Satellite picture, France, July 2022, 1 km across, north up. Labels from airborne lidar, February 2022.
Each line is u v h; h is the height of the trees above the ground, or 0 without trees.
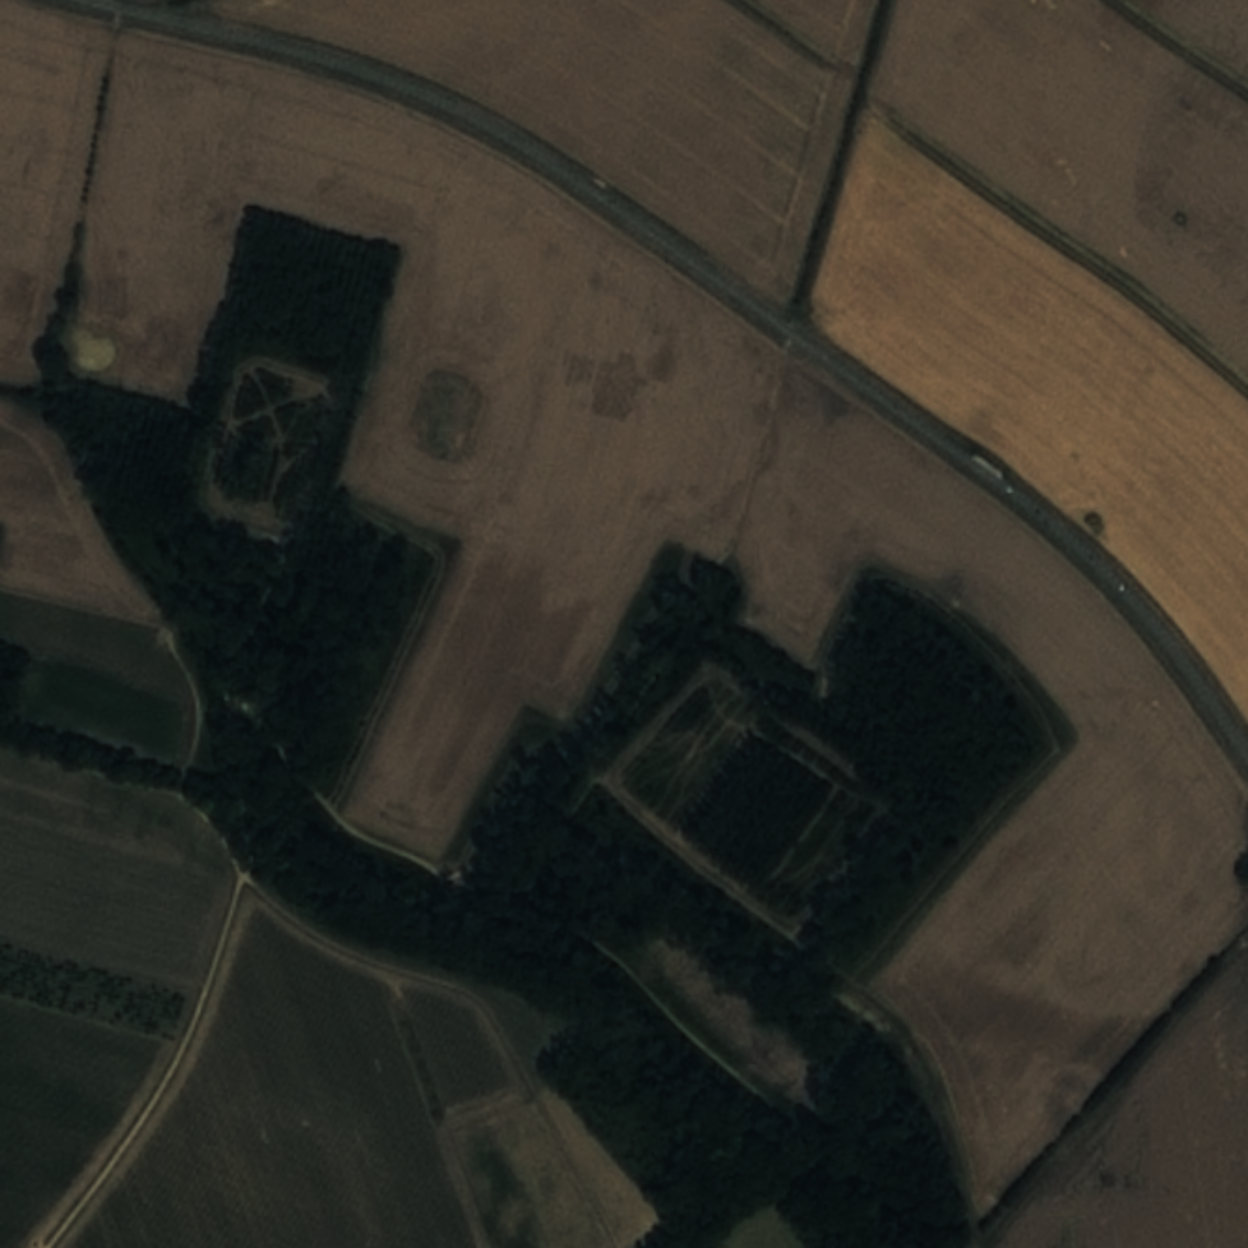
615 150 0
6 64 0
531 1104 0
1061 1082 0
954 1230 26
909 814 25
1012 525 0
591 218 0
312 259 11
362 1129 0
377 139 0
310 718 27
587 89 0
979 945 0
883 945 0
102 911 0
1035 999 0
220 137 0
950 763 20
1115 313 0
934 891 0
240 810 19
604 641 0
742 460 0
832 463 0
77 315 0
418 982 0
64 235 0
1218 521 0
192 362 0
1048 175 0
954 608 0
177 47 0
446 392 0
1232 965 0
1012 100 0
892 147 0
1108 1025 0
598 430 0
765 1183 26
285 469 0
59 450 0
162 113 0
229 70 0
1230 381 0
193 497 24
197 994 0
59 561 0
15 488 0
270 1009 0
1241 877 11
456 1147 0
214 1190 0
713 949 22
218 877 0
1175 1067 0
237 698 23
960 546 0
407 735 0
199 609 28
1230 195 0
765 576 0
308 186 0
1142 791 0
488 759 0
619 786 0
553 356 0
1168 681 0
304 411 0
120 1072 0
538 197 0
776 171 0
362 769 0
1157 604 0
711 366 0
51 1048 0
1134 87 0
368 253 9
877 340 0
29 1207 0
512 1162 0
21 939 0
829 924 24
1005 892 0
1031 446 0
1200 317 0
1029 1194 0
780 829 25
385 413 0
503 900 30
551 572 0
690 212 0
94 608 0
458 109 0
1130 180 0
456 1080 0
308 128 0
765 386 0
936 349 0
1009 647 0
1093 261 0
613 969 10
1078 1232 0
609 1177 0
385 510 0
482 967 15
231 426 0
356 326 11
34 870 0
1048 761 0
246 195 0
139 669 0
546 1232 0
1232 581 0
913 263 0
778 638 0
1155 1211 0
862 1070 31
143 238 0
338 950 0
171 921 0
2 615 0
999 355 0
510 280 0
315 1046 0
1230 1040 0
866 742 18
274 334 16
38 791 0
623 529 0
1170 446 0
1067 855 0
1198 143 0
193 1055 0
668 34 0
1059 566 0
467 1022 0
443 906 24
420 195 0
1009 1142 0
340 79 0
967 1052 0
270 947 0
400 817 0
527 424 0
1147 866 0
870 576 0
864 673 19
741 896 0
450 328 0
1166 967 0
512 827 29
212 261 0
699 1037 0
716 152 0
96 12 0
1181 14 0
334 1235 0
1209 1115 0
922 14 0
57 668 0
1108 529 0
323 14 0
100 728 0
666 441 0
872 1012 0
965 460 0
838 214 0
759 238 0
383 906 22
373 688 0
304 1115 0
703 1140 25
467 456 0
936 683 22
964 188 0
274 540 0
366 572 26
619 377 0
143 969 0
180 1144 0
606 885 32
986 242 0
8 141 0
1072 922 0
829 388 0
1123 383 0
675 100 0
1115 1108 0
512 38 0
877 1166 30
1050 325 0
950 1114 0
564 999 24
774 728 0
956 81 0
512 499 0
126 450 17
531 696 0
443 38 0
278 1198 0
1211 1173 0
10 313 0
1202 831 0
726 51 0
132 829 0
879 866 22
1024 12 0
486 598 0
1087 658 0
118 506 21
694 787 0
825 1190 28
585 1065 23
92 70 0
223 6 0
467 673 0
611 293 0
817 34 0
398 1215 0
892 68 0
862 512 0
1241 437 0
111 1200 0
